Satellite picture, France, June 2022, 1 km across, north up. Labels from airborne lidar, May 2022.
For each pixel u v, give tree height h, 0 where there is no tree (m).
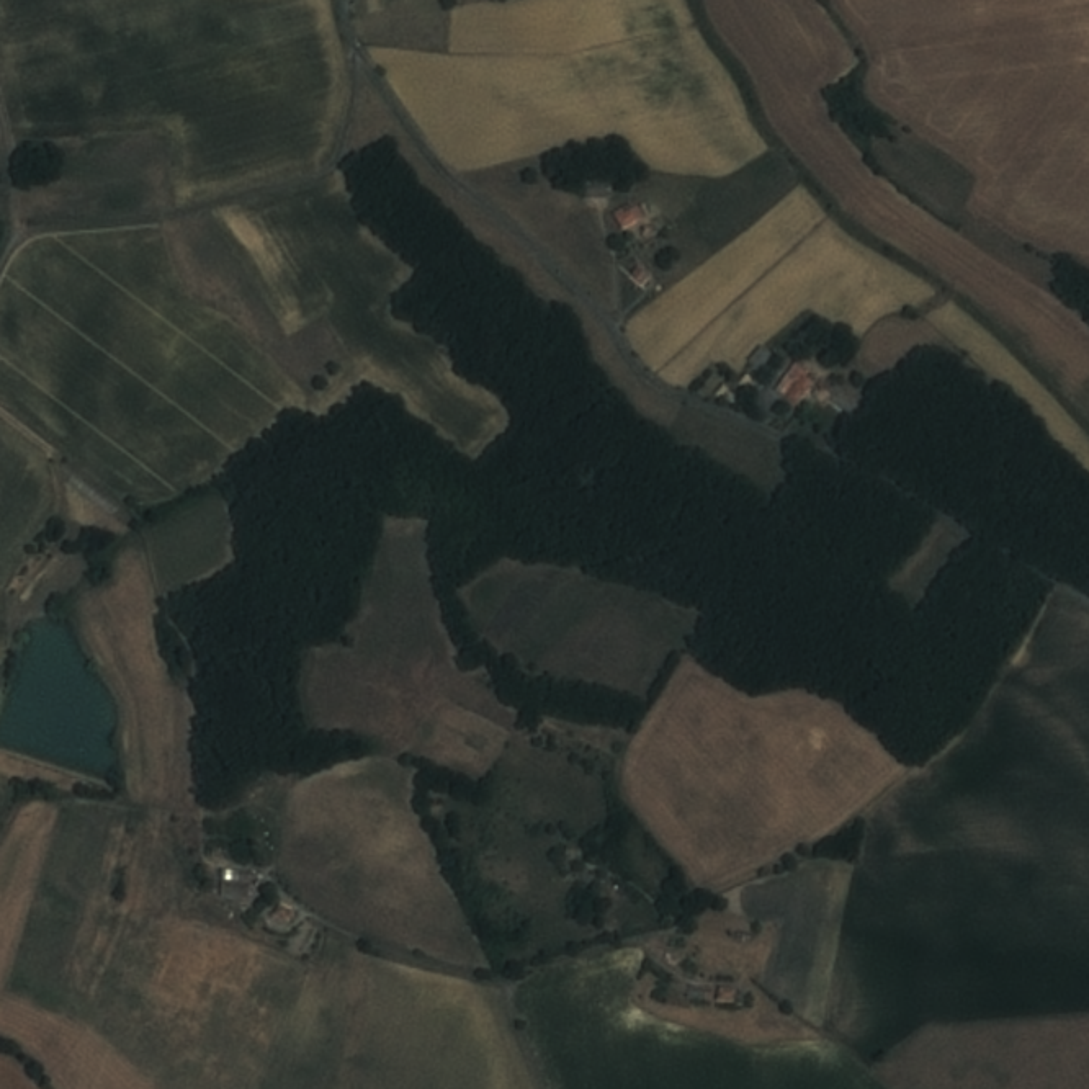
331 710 0
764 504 19
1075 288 15
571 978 0
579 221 0
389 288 0
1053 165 0
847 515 17
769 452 0
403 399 12
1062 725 0
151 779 0
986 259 0
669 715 0
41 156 13
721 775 0
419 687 0
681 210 0
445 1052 0
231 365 0
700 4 0
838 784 0
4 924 0
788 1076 0
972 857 0
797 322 0
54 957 0
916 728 15
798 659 17
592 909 11
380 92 0
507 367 16
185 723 0
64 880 0
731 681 13
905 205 0
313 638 18
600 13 0
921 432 17
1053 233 0
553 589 0
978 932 0
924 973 0
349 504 17
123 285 0
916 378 21
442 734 0
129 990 0
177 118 0
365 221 15
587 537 17
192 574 0
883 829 0
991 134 0
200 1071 0
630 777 0
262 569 15
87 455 0
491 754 0
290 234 0
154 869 0
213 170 0
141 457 0
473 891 6
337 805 0
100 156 0
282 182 0
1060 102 0
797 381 0
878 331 0
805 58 0
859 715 17
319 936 6
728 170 0
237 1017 0
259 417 0
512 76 0
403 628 0
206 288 0
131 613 0
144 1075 0
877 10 0
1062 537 18
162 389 0
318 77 0
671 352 0
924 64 0
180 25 0
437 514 11
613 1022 0
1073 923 0
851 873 0
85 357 0
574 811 0
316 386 11
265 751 17
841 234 0
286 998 0
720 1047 0
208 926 0
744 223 0
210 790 16
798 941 0
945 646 18
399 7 0
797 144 0
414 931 0
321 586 17
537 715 12
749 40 0
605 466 21
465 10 0
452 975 0
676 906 15
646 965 7
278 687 20
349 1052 0
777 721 0
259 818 0
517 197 0
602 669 0
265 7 0
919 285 0
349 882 0
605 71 0
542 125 0
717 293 0
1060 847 0
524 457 13
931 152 0
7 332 0
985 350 0
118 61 0
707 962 0
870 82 0
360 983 0
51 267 0
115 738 11
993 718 0
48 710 0
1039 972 0
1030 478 22
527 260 0
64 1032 0
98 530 14
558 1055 0
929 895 0
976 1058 0
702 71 0
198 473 0
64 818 0
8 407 0
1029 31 0
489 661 12
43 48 0
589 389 17
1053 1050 0
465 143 0
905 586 0
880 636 20
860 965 0
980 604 21
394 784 0
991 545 17
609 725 10
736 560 20
